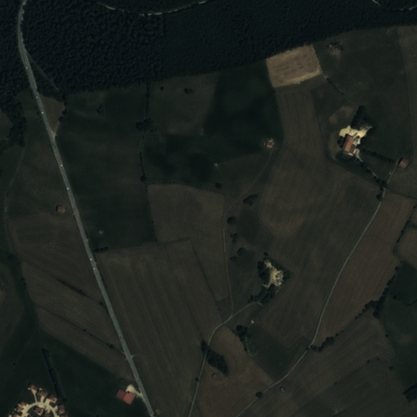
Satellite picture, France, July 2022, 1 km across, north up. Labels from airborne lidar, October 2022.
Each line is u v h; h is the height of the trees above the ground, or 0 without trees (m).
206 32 14
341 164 0
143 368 0
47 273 0
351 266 0
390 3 16
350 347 0
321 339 0
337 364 0
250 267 0
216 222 0
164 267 0
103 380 0
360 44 0
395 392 0
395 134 0
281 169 0
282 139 0
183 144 0
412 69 0
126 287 0
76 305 0
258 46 16
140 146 0
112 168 0
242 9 14
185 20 10
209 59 16
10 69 12
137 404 0
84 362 0
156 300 0
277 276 0
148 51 33
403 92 0
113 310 0
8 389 0
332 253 0
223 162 0
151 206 0
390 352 0
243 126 0
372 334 0
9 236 0
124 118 0
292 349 0
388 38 0
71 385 0
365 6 14
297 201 0
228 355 0
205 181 0
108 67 29
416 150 0
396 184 0
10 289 0
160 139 0
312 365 0
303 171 0
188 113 0
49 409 0
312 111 0
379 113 0
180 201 0
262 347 0
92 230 0
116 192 0
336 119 0
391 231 0
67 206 0
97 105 0
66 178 0
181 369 0
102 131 0
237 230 0
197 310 0
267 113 0
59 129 0
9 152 0
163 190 0
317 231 0
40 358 0
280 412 0
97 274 0
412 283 0
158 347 0
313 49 0
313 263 0
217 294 0
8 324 0
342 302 0
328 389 0
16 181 0
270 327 0
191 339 0
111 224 0
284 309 0
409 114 0
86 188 0
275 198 0
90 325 0
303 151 0
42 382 0
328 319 0
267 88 0
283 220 0
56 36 24
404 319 0
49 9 32
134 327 0
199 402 0
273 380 0
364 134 0
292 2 18
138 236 0
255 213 0
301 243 0
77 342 0
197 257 0
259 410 0
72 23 33
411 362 0
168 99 0
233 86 0
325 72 0
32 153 0
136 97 0
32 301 0
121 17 15
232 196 0
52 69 20
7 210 0
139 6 17
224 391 0
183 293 0
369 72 0
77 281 0
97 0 17
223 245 0
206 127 0
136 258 0
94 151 0
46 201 0
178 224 0
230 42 15
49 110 0
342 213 0
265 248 0
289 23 16
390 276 0
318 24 15
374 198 0
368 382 0
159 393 0
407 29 0
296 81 0
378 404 0
